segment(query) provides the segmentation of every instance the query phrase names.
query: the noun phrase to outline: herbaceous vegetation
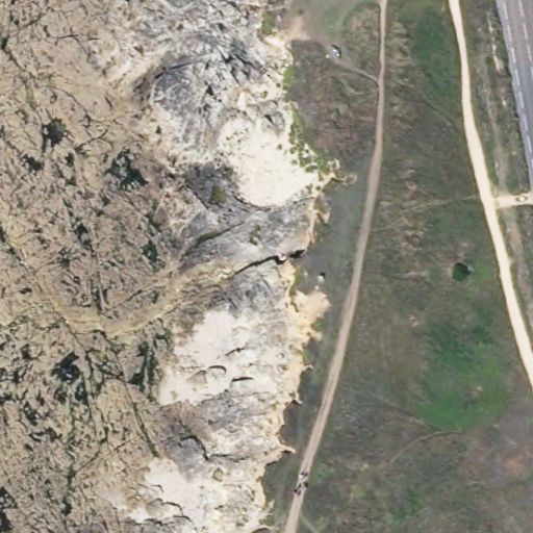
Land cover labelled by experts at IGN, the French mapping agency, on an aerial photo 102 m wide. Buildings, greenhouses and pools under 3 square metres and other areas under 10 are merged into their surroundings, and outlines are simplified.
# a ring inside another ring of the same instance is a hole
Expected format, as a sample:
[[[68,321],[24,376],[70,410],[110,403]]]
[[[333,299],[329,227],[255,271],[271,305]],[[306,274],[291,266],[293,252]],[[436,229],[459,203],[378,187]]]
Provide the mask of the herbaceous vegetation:
[[[279,439],[283,443],[296,446],[296,452],[283,452],[277,460],[267,464],[262,475],[262,510],[267,516],[260,518],[258,529],[254,529],[252,533],[283,533],[291,500],[298,491],[298,468],[302,464],[321,408],[329,366],[337,348],[344,304],[352,283],[354,256],[362,227],[369,169],[375,150],[377,127],[379,0],[294,0],[291,8],[287,8],[287,17],[302,17],[308,40],[291,42],[289,50],[294,60],[283,75],[283,96],[285,102],[316,104],[316,117],[312,121],[312,127],[304,129],[298,135],[298,139],[308,144],[323,160],[337,158],[341,167],[335,173],[335,177],[323,187],[329,200],[331,217],[329,221],[314,225],[314,239],[308,248],[300,250],[302,258],[296,260],[310,275],[325,279],[323,294],[329,300],[329,308],[323,312],[323,316],[319,316],[312,323],[312,327],[323,333],[321,339],[308,339],[308,344],[304,346],[304,371],[300,375],[298,385],[300,400],[287,404],[283,425],[279,429]]]
[[[485,208],[481,202],[468,152],[462,115],[460,52],[450,0],[387,0],[385,119],[379,185],[362,262],[358,302],[346,344],[344,364],[339,371],[339,381],[327,416],[327,425],[312,460],[310,479],[306,481],[306,496],[298,516],[296,533],[533,533],[533,387],[510,323],[496,246],[491,239],[491,231],[487,225]]]
[[[508,206],[496,212],[506,254],[510,258],[512,287],[533,352],[533,204]]]
[[[531,192],[525,139],[521,131],[516,96],[512,87],[510,58],[496,0],[460,0],[468,50],[471,102],[491,187],[502,194]]]

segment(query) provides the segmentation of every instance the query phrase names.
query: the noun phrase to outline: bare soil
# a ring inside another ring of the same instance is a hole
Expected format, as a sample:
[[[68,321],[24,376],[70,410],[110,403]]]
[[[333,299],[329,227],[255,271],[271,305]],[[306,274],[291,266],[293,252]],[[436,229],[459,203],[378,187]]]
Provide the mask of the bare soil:
[[[296,452],[296,446],[283,443],[279,439],[279,429],[283,425],[287,404],[300,400],[298,385],[300,375],[304,371],[304,346],[308,344],[308,339],[321,339],[323,333],[312,327],[312,323],[319,316],[323,316],[323,312],[329,308],[329,300],[323,294],[325,279],[310,275],[296,260],[302,258],[300,250],[308,248],[314,239],[314,225],[329,221],[331,217],[329,200],[323,187],[335,177],[335,173],[341,167],[337,158],[323,160],[308,144],[298,139],[298,135],[304,129],[312,127],[312,121],[316,117],[316,104],[285,102],[283,96],[283,75],[294,60],[289,50],[291,42],[308,40],[302,17],[287,17],[287,8],[291,8],[294,0],[0,0],[0,533],[252,533],[254,529],[258,529],[260,518],[267,516],[262,510],[262,475],[267,464],[277,460],[283,452]]]

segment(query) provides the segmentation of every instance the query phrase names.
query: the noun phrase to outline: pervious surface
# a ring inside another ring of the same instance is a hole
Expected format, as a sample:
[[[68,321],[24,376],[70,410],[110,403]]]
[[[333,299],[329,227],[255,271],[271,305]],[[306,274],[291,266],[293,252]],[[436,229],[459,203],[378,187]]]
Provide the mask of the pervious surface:
[[[344,304],[337,348],[329,366],[321,408],[302,464],[298,468],[298,491],[291,500],[283,533],[296,533],[298,516],[306,496],[306,481],[310,479],[312,460],[327,425],[327,416],[339,381],[339,371],[344,364],[346,344],[358,302],[362,262],[379,185],[385,119],[387,0],[379,0],[377,127],[375,150],[369,169],[362,227],[354,256],[352,283]]]
[[[506,254],[496,212],[491,187],[471,102],[468,50],[460,0],[450,0],[460,52],[462,115],[468,152],[481,202],[485,208],[487,225],[491,231],[491,239],[496,246],[510,323],[533,387],[533,352],[512,287],[510,258]]]

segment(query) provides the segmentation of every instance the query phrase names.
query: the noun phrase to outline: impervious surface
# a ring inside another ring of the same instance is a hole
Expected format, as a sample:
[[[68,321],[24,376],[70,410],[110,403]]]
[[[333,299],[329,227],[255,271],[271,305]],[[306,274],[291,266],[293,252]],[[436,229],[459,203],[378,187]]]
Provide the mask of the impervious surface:
[[[508,206],[533,204],[533,0],[496,0],[510,58],[512,87],[516,96],[521,131],[525,139],[531,192],[502,194],[491,187],[496,212]]]

